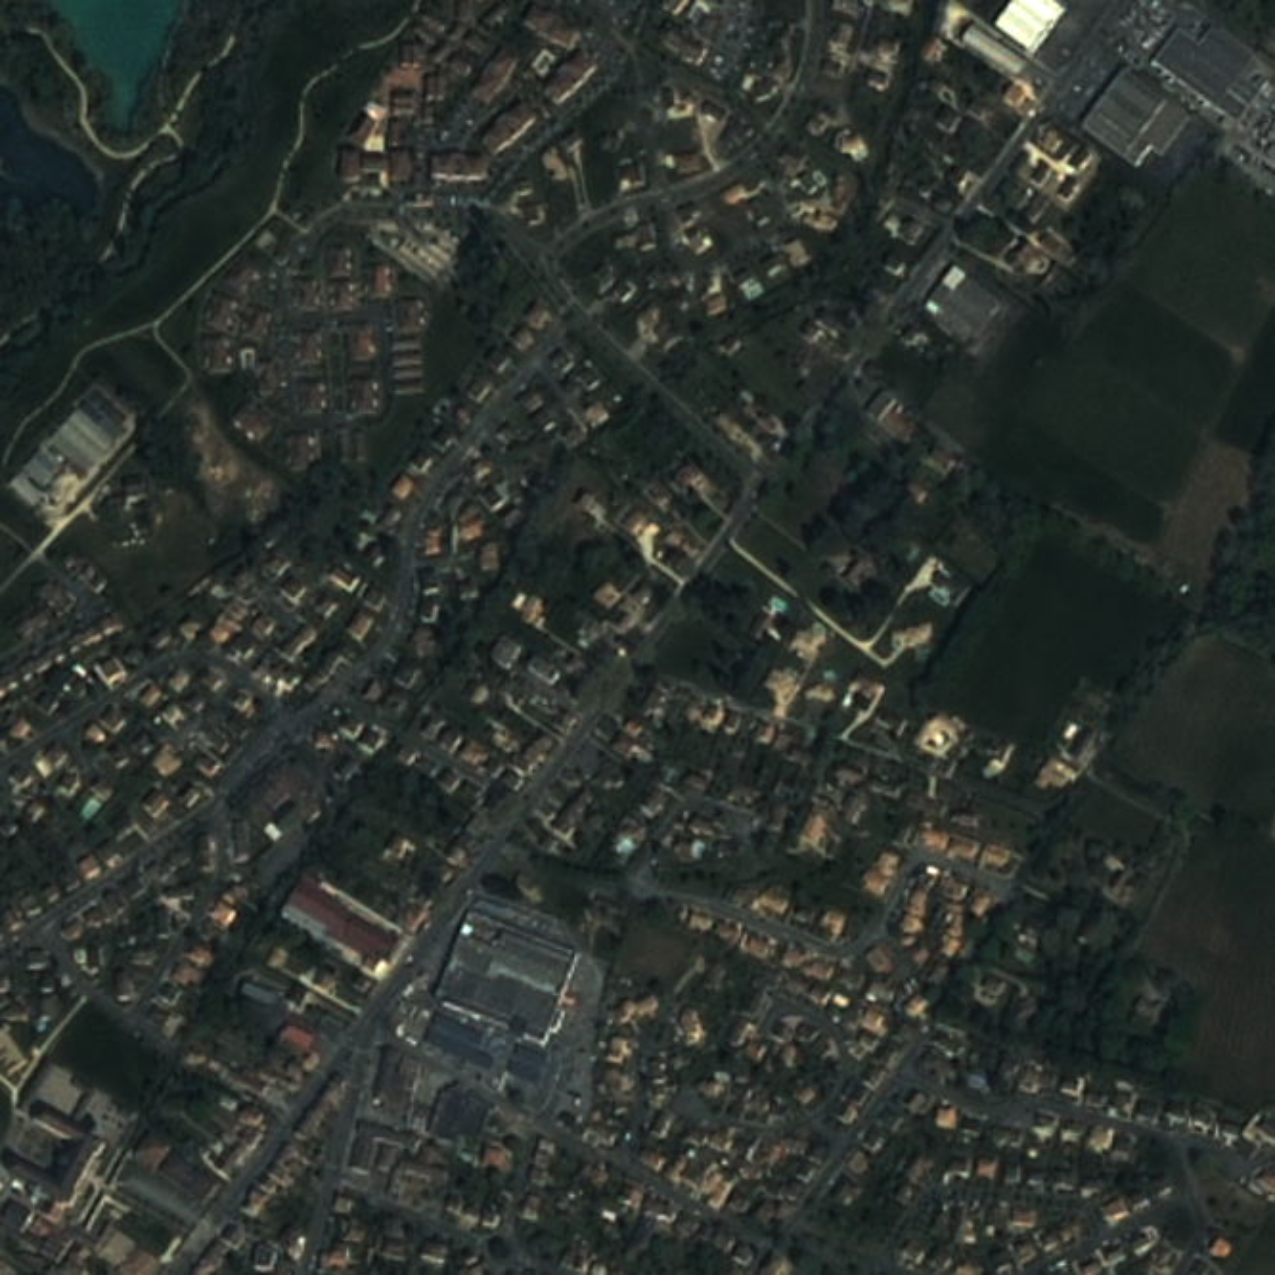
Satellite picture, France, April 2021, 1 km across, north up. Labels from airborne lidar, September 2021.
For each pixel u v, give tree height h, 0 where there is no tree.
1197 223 0
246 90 13
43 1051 0
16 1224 0
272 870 0
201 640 8
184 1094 6
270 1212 6
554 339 0
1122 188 8
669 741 9
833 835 16
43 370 0
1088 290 6
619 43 0
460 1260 6
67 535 0
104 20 0
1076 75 0
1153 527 0
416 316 0
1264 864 0
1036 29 0
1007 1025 12
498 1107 0
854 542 24
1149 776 0
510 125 0
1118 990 23
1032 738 0
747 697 13
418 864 8
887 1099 5
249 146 8
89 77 17
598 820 11
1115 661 0
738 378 7
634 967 0
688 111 0
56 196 0
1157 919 0
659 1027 7
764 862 17
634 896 11
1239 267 0
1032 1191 6
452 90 6
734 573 0
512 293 14
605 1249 7
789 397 0
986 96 6
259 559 9
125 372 0
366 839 12
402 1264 6
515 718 5
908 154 12
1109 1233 0
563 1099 0
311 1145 6
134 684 0
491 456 14
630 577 10
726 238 0
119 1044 0
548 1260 7
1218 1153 0
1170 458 0
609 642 0
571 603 12
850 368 0
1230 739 0
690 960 0
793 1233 0
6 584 0
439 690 15
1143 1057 21
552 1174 8
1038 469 0
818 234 0
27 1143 9
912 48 7
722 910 0
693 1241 8
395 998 0
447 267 0
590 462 10
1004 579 7
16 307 7
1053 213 15
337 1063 0
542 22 0
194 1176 0
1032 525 18
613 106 0
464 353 0
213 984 12
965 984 18
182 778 7
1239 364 0
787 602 0
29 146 0
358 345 0
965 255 8
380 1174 9
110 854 0
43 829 8
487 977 0
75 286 12
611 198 0
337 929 0
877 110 6
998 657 0
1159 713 0
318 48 0
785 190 0
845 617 17
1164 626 0
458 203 0
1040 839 14
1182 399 0
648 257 0
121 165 0
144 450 9
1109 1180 7
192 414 0
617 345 0
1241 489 0
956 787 6
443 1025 0
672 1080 8
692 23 7
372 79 6
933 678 12
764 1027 0
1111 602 0
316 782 0
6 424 0
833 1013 8
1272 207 6
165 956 0
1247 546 14
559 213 0
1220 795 0
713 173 0
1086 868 9
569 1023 0
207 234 0
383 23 8
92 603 0
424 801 12
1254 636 21
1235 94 0
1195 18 0
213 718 11
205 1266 0
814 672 0
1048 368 0
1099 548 11
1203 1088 0
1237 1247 8
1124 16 0
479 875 0
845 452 15
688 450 13
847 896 0
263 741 0
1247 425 0
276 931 11
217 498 0
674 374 9
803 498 12
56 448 0
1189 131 0
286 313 0
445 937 0
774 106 0
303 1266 0
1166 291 0
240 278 0
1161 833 7
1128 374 0
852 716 0
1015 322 0
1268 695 0
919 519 37
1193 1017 14
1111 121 0
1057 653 0
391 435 0
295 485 0
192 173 24
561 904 0
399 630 0
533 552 24
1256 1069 0
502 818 26
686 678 0
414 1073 0
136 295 0
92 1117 0
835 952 0
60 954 0
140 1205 10
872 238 7
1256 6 13
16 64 21
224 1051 12
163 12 0
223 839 0
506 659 0
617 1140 7
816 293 7
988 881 0
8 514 0
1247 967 0
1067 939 21
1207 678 0
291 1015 0
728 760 12
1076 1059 15
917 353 7
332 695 0
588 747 7
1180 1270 0
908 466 21
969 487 22
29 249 14
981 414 0
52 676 11
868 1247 13
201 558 0
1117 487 0
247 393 5
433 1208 9
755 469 0
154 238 8
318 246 0
